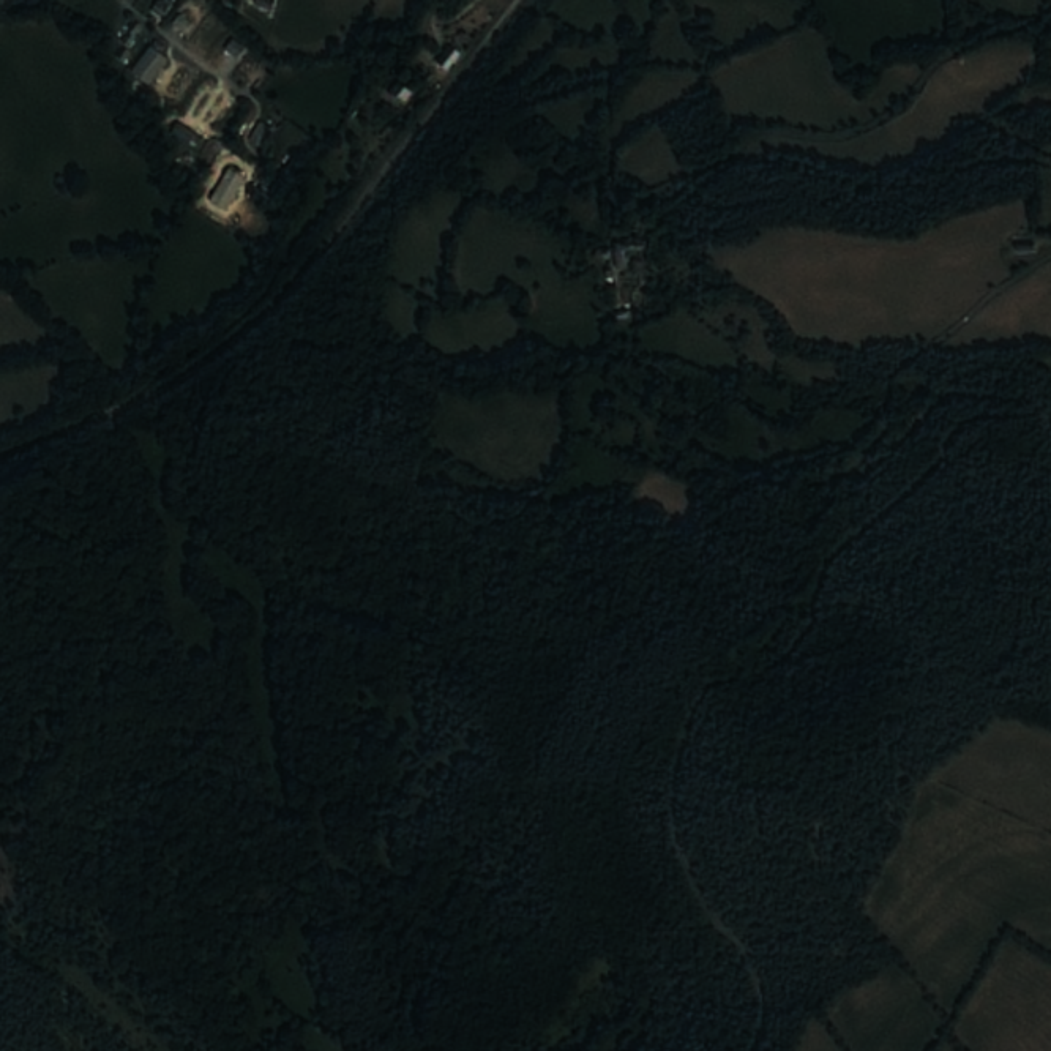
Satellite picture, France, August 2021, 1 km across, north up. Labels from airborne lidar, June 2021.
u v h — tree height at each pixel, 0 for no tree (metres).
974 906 0
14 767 19
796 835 10
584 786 16
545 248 0
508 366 23
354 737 17
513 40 12
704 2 0
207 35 0
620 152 9
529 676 16
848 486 12
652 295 11
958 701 11
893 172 18
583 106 0
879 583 11
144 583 19
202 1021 20
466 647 21
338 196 10
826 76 0
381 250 14
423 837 20
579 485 0
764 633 28
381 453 19
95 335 0
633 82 14
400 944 23
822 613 15
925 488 8
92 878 21
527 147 15
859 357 11
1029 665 16
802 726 13
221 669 18
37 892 12
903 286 0
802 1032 12
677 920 10
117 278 0
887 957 14
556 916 14
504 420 0
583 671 20
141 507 21
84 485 14
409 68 9
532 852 11
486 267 0
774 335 7
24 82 0
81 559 27
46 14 17
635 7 0
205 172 18
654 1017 13
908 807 10
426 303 12
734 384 20
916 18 0
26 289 21
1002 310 0
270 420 16
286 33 0
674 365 11
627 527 19
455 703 19
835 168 14
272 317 14
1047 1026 0
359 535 17
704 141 18
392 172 7
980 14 11
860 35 0
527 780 18
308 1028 14
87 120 0
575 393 9
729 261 0
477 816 19
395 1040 26
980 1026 0
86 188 20
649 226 8
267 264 15
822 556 11
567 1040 8
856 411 8
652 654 20
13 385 0
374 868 11
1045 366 13
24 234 0
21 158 0
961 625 8
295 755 24
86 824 11
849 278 0
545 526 16
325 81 0
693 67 8
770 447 14
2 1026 14
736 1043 17
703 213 12
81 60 0
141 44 0
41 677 19
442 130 14
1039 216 7
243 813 20
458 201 0
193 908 22
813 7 13
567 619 21
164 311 0
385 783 15
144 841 24
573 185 14
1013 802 0
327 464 14
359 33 15
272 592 19
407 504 12
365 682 13
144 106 22
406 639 29
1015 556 15
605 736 18
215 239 0
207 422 27
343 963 26
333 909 19
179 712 23
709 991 10
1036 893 0
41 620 9
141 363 30
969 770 0
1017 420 23
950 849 0
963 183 16
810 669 18
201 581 22
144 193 0
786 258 0
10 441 15
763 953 11
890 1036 0
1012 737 0
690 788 10
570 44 12
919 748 11
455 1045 28
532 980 26
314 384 24
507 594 15
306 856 21
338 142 13
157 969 21
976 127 13
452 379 27
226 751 16
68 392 21
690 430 17
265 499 11
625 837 19
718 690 14
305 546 15
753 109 0
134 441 18
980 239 0
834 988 11
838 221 17
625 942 20
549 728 17
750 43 10
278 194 21
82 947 10
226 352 16
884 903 0
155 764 23
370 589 18
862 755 8
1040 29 13
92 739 20
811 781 7
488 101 21
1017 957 0
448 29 6
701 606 22
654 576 20
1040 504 16
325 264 17
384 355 26
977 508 15
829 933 11
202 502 21
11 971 12
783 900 13
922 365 10
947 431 16
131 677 26
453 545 9
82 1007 11
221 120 0
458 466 11
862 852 13
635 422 9
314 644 23
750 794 10
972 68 0
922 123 0
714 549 22
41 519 20
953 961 0
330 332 28
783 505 18
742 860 7
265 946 15
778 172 16
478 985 25
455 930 23
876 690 14
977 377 13
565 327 0
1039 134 9
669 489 0
